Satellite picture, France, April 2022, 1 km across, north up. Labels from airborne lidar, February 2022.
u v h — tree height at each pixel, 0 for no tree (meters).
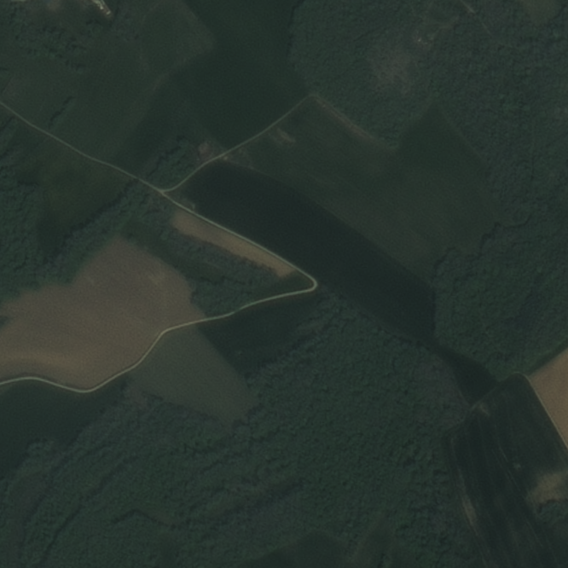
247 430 25
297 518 25
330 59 12
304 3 17
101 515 19
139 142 0
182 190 0
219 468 21
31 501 0
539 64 21
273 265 0
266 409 21
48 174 0
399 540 14
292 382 21
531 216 7
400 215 0
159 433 24
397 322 0
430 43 0
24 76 0
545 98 6
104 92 0
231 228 0
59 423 0
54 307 0
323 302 11
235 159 0
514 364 19
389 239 0
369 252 0
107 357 0
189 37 0
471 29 16
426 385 31
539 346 19
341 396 18
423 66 6
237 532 24
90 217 0
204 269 0
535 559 0
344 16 15
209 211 0
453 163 0
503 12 24
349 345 20
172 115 0
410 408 23
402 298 0
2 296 18
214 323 0
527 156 6
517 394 0
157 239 0
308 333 0
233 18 0
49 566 23
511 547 0
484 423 0
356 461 16
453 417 26
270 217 0
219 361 0
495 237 10
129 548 16
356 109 14
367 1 14
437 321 21
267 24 0
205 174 0
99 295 0
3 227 18
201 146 0
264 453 23
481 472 0
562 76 10
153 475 19
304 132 0
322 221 0
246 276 13
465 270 15
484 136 15
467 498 0
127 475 22
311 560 0
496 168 14
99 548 17
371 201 0
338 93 14
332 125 0
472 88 22
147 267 0
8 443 0
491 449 0
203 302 19
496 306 12
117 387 0
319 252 0
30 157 0
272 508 23
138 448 22
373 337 23
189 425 23
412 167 0
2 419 0
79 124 0
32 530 20
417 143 0
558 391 0
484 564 0
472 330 10
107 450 22
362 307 0
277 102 0
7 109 0
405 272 0
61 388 0
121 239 0
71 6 0
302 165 0
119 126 0
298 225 0
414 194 0
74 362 0
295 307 0
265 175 0
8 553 0
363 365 23
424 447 28
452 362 0
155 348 0
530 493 0
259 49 0
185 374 0
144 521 18
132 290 0
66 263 22
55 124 13
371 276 0
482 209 0
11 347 0
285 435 20
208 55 0
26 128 0
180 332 0
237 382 0
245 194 0
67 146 0
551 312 16
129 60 0
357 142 0
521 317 11
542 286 10
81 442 14
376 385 21
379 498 17
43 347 0
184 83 0
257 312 0
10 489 17
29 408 0
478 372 0
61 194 0
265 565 0
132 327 0
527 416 0
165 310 0
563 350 0
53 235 0
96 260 0
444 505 29
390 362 18
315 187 0
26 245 19
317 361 24
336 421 21
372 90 9
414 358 28
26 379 0
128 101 0
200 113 0
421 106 9
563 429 0
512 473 0
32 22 12
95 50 0
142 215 13
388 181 0
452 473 0
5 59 0
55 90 0
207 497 17
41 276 21
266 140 0
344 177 0
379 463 18
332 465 16
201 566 13
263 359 0
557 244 9
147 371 0
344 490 13
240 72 0
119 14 14
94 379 0
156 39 0
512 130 12
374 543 0
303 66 19
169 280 0
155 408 17
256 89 0
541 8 0
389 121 15
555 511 20
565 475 0
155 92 0
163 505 14
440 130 0
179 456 21
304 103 0
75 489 20
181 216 0
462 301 21
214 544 16
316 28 16
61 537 17
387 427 22
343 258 0
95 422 7
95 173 0
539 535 0
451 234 0
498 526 0
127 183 0
